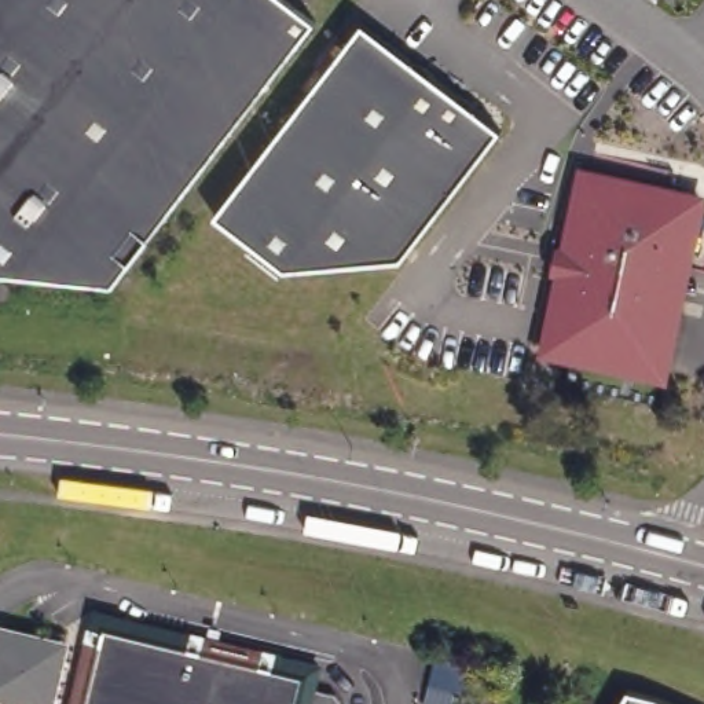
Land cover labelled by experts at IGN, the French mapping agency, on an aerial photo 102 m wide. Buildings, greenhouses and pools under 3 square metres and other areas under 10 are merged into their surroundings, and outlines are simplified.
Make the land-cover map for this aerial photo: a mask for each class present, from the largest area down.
<instances>
[{"label":"impervious surface","instance_id":"1","mask_svg":"<svg viewBox=\"0 0 704 704\"><path fill-rule=\"evenodd\" d=\"M305 22H311L314 36L303 47L297 61L289 66V72L278 80L272 94L261 102L256 116L245 124V129L223 151L215 168L204 176L198 190L215 212L234 190V184L245 176V171L253 165V160L261 154V149L272 140V135L281 129V124L289 118L297 102L305 96L311 83L327 69V63L344 47V41L355 30H366L498 135V146L487 140V146L465 171V176L454 184V190L446 195L437 212L410 242V248L418 250V259L396 278L371 311V325L380 327L385 338H391L402 349H410L415 358L426 360L429 355H435L443 360L446 369H454L457 363L462 371H490L495 377H503L506 382L509 374L520 369V358L531 352L534 344H539L542 338L550 300V267L561 245L572 184L580 171L663 187L674 193L696 190L704 198V3L690 17H668L660 11L657 0H283ZM682 300L688 303V316L679 322L668 385L679 391L688 407L704 404V231L696 239L690 278L682 294ZM583 388L591 396H611L616 402H630L635 407H652L657 388L583 374ZM0 470L50 473V481L58 484L55 495L0 490V501L36 506H55L58 501H63L74 506L121 509L124 514L146 520L204 528L209 525L275 539L303 542L308 536L336 545L410 556L421 567L459 575H479L481 569H490L487 575L495 583L517 586L523 580L528 589L539 594H569L600 608L622 611L663 624L674 619L682 630L704 633V481L685 498L663 506L619 492H602L600 498H575L569 479L564 476L545 479L523 470H506L498 481H487L479 473V462L470 457L465 459L410 448L391 451L380 440L325 429H294L286 424L217 413H201L190 418L184 415L182 404L160 407L124 399H99L94 404H83L74 388L69 393H61L47 388H0ZM85 600L118 605L129 616H165L173 622H184L190 624V633L198 638L209 630H217L220 635L272 641L286 649L308 652L314 655L319 674V693H314V704H473L465 693L462 671L451 663V657L437 646L415 652L410 641L391 644L363 638L322 624L272 616L253 608L215 602L182 591H168L149 583L116 578L96 569L66 567L55 561H30L0 575V627L63 641L50 704H61L72 666L74 638L85 641L88 633L85 627H80Z\"/></svg>","mask_w":704,"mask_h":704},{"label":"building","instance_id":"2","mask_svg":"<svg viewBox=\"0 0 704 704\"><path fill-rule=\"evenodd\" d=\"M314 36L311 22H305L283 0H0V283L52 292L113 294L121 289L124 278L138 267L146 250L154 245V239L162 234L165 223L198 190L204 176L215 168L223 151L245 129V124L256 116L261 102L272 94L278 80L289 72V66L297 61L303 47ZM487 140L498 146V135L366 30H355L344 41V47L327 63V69L311 83L305 96L297 102L289 118L281 124V129L272 135V140L261 149V154L253 160V165L245 171V176L234 184V190L215 212L209 220L212 231L231 242L256 270H261L272 281L366 272H396V278L418 259V250L410 248V242L437 212L446 195L454 190V184L465 176V171L487 146ZM704 231V198L696 190L674 193L663 187L580 171L572 184L561 245L550 267V300L542 338L539 344H534L531 352L542 366L580 369L583 374L657 388L668 385L679 322L688 316V303L682 300V294L690 278L696 239ZM80 627H85L88 633L85 641L74 638L72 666L61 704H314V693H319V674L314 655L308 652L286 649L272 641L220 635L217 630H209L198 638L190 633V624L184 622H173L165 616H129L118 605L85 600ZM63 641L0 627V704H50ZM619 704H657L638 696H622Z\"/></svg>","mask_w":704,"mask_h":704},{"label":"herbaceous vegetation","instance_id":"3","mask_svg":"<svg viewBox=\"0 0 704 704\"><path fill-rule=\"evenodd\" d=\"M704 3V0H657L660 11L668 17H690ZM215 212L198 190L165 223L162 234L176 239V250L165 253V259L157 264L154 278H146L138 267L124 278L121 289L113 294L52 292L0 283V388H47L61 393H69L74 388L77 382H88L91 377L102 374L105 391L99 399H124L160 407L182 404L184 415L190 418L201 413H217L286 424L294 429H325L380 440L382 426L413 424L415 435L410 440V448L465 459L470 457L468 440L473 435L498 429V424L503 421L512 424L520 421V413L509 404L506 382L503 377H495L490 371H462L457 363L454 369H446L443 360L435 355H429L426 360L415 358L410 349H402L391 338H385L380 327L371 325V311L396 278V272H366L272 281L261 270H256L231 242L212 231L209 220ZM591 404L597 407L600 418V437L624 440L633 446L663 443V454L657 457L627 454L619 465L611 459H602L597 465L600 484L591 492V498H600L602 492H619L663 506L685 498L704 481V421H688L682 429H663L652 407H635L630 402H616L611 396H591ZM564 454L558 451V446L525 440L523 432L512 435L509 443L495 448L490 468L479 473L487 481H498L506 470H523L545 479L564 476ZM0 490L55 495L58 484L50 481V473L0 470ZM30 561H55L66 567L96 569L116 578L149 583L168 591H182L215 602L253 608L272 616L322 624L363 638L391 644L410 641L415 652L437 646L451 657L462 655L473 633H490L512 644L514 652L528 657L520 682V704H556V679L564 671H575L578 666H597L611 674L597 704H619L622 696H638L657 704H704V633L682 630L674 619L663 624L622 611L600 608L569 594H539L528 589L523 580L517 586L495 583L487 575L490 569H481L479 575H459L421 567L410 556L336 545L308 536L303 542L275 539L209 525L204 528L146 520L124 514L121 509L74 506L63 501H58L55 506H36L0 501V575Z\"/></svg>","mask_w":704,"mask_h":704},{"label":"deciduous trees","instance_id":"4","mask_svg":"<svg viewBox=\"0 0 704 704\"><path fill-rule=\"evenodd\" d=\"M176 250V239L162 234L154 239V245L146 250L138 267L146 278H154L157 264L165 259V253ZM105 391L102 374L91 377L88 382H77L74 388L83 404H94L99 399ZM512 435V424L503 421L498 424V429L473 435L468 440L470 457L479 462V473L490 468L495 448L509 443ZM415 435L413 424L382 426L380 440L391 451L410 448V440ZM564 476L569 479L575 498H591V492L600 484L597 465V459L586 451L564 454ZM528 657L514 652L512 644L490 633H473L462 655L451 657V663L462 671L465 693L473 704H520V682ZM611 674L597 666H578L575 671H564L556 679V704H597Z\"/></svg>","mask_w":704,"mask_h":704},{"label":"brushwood","instance_id":"5","mask_svg":"<svg viewBox=\"0 0 704 704\"><path fill-rule=\"evenodd\" d=\"M509 404L520 413V421L512 424V435L523 432L525 440L558 446V451L564 454L586 451L597 459V465L602 459H611L619 465L627 454L657 457L663 454V443L633 446L624 440L600 437V418L597 407L591 404V396L583 388V374L580 369L542 366L531 352L520 358V369L509 374L506 382ZM663 429H682L688 421H704V404L688 407L679 391L668 385L657 388L652 407Z\"/></svg>","mask_w":704,"mask_h":704}]
</instances>
